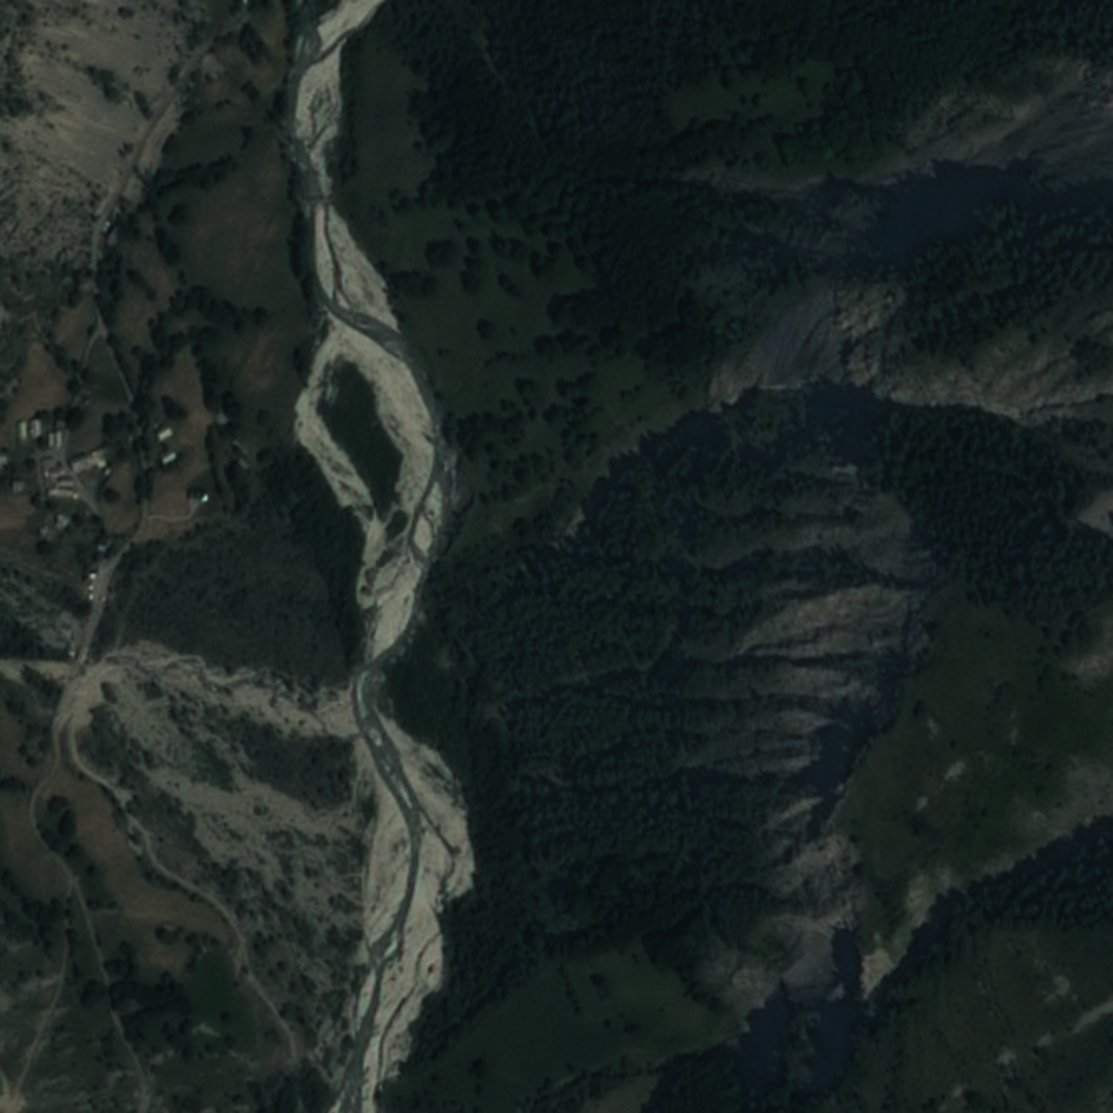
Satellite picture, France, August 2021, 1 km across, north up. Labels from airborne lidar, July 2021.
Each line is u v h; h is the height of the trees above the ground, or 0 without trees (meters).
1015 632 0
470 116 29
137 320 0
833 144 19
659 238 27
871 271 8
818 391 0
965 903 24
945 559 17
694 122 10
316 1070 8
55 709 0
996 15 20
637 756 33
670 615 20
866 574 12
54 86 0
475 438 16
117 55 0
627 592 14
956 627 0
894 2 23
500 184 18
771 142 0
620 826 25
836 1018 0
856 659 0
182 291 12
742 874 23
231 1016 10
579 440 6
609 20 17
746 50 13
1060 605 14
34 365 0
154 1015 13
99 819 0
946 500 10
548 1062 0
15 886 13
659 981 0
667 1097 18
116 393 0
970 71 10
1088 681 0
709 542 21
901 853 0
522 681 21
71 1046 0
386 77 0
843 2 26
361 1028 0
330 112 0
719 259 6
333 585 12
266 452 10
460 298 0
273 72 0
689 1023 0
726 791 23
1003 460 7
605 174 22
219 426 10
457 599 8
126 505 0
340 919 0
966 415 10
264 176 0
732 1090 17
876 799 0
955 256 16
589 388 8
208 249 0
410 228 0
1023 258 10
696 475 7
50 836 14
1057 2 17
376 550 0
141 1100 0
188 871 0
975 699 0
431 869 0
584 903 13
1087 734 0
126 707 0
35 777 0
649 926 19
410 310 0
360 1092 0
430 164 0
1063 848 0
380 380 0
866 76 22
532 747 10
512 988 18
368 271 0
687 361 15
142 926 0
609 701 22
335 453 0
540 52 22
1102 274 20
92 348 0
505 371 0
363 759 0
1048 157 0
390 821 0
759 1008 0
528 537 12
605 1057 0
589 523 10
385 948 0
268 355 0
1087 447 11
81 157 0
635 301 25
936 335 13
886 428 20
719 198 17
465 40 14
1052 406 0
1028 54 13
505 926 6
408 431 0
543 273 18
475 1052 0
